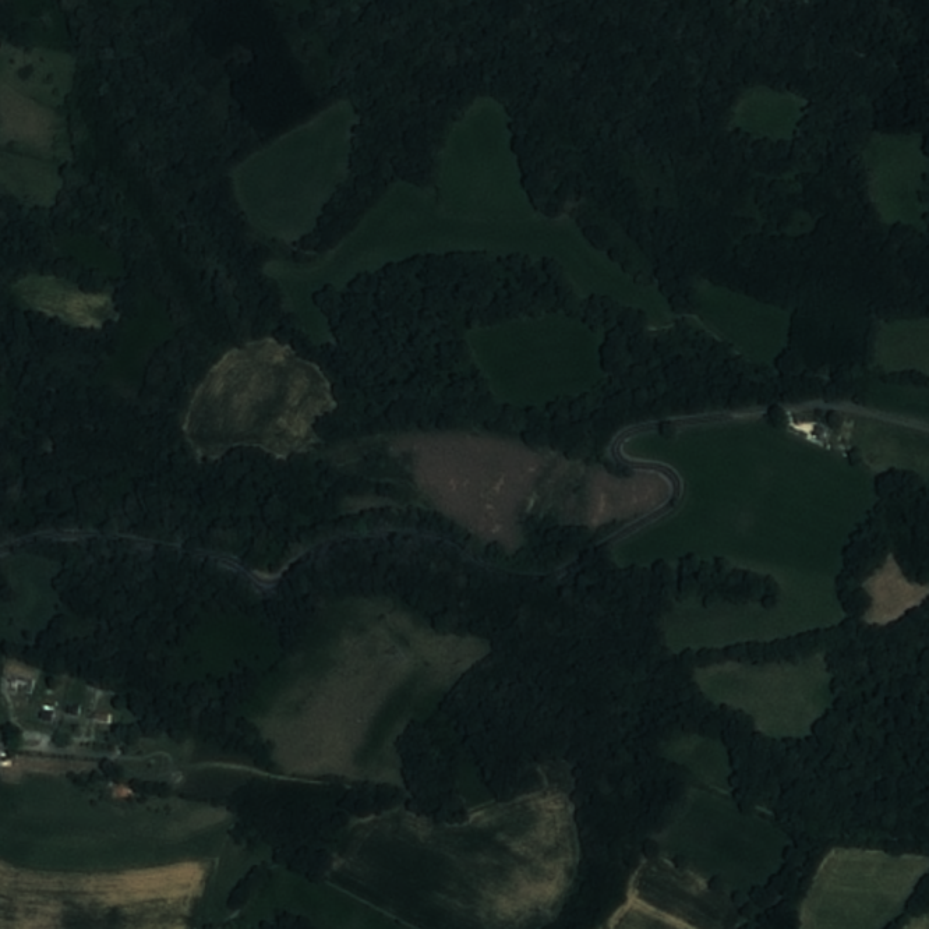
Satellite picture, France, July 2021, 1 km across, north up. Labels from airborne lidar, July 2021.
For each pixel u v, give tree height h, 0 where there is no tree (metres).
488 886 0
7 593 17
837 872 0
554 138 22
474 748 25
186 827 0
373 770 0
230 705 16
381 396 24
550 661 23
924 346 0
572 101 19
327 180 0
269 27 26
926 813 26
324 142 0
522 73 22
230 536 23
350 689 0
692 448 0
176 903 0
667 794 12
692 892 0
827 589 0
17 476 8
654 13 15
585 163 14
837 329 14
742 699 0
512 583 12
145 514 18
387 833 0
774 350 0
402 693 0
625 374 24
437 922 0
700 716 17
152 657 17
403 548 18
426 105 17
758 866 0
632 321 26
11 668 0
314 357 10
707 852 0
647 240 17
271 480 7
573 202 17
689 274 17
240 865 0
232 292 27
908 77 18
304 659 0
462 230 0
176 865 0
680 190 7
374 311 25
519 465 0
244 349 8
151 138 23
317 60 11
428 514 8
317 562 14
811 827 27
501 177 0
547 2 16
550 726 21
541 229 0
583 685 25
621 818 19
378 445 0
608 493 0
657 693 21
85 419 25
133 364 0
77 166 9
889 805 23
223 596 10
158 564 17
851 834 19
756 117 0
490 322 23
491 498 0
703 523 0
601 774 16
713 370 16
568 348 0
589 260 0
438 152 16
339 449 0
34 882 0
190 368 18
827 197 16
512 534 0
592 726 22
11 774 0
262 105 22
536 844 0
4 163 0
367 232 0
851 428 0
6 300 16
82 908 0
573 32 20
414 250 0
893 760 22
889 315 20
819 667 0
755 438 0
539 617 16
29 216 23
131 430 22
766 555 0
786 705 0
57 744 17
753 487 0
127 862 0
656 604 19
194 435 0
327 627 0
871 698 22
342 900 0
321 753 0
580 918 20
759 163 16
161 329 0
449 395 27
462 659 0
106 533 19
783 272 13
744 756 29
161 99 12
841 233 16
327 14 17
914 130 28
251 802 11
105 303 0
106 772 18
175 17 20
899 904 0
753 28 12
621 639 22
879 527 27
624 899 15
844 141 28
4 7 17
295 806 12
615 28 15
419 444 0
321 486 9
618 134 17
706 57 14
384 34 20
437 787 24
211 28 21
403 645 0
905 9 13
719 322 0
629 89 19
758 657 25
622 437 0
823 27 11
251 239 15
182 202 20
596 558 20
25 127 0
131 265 14
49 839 0
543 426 29
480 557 10
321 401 0
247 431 0
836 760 22
